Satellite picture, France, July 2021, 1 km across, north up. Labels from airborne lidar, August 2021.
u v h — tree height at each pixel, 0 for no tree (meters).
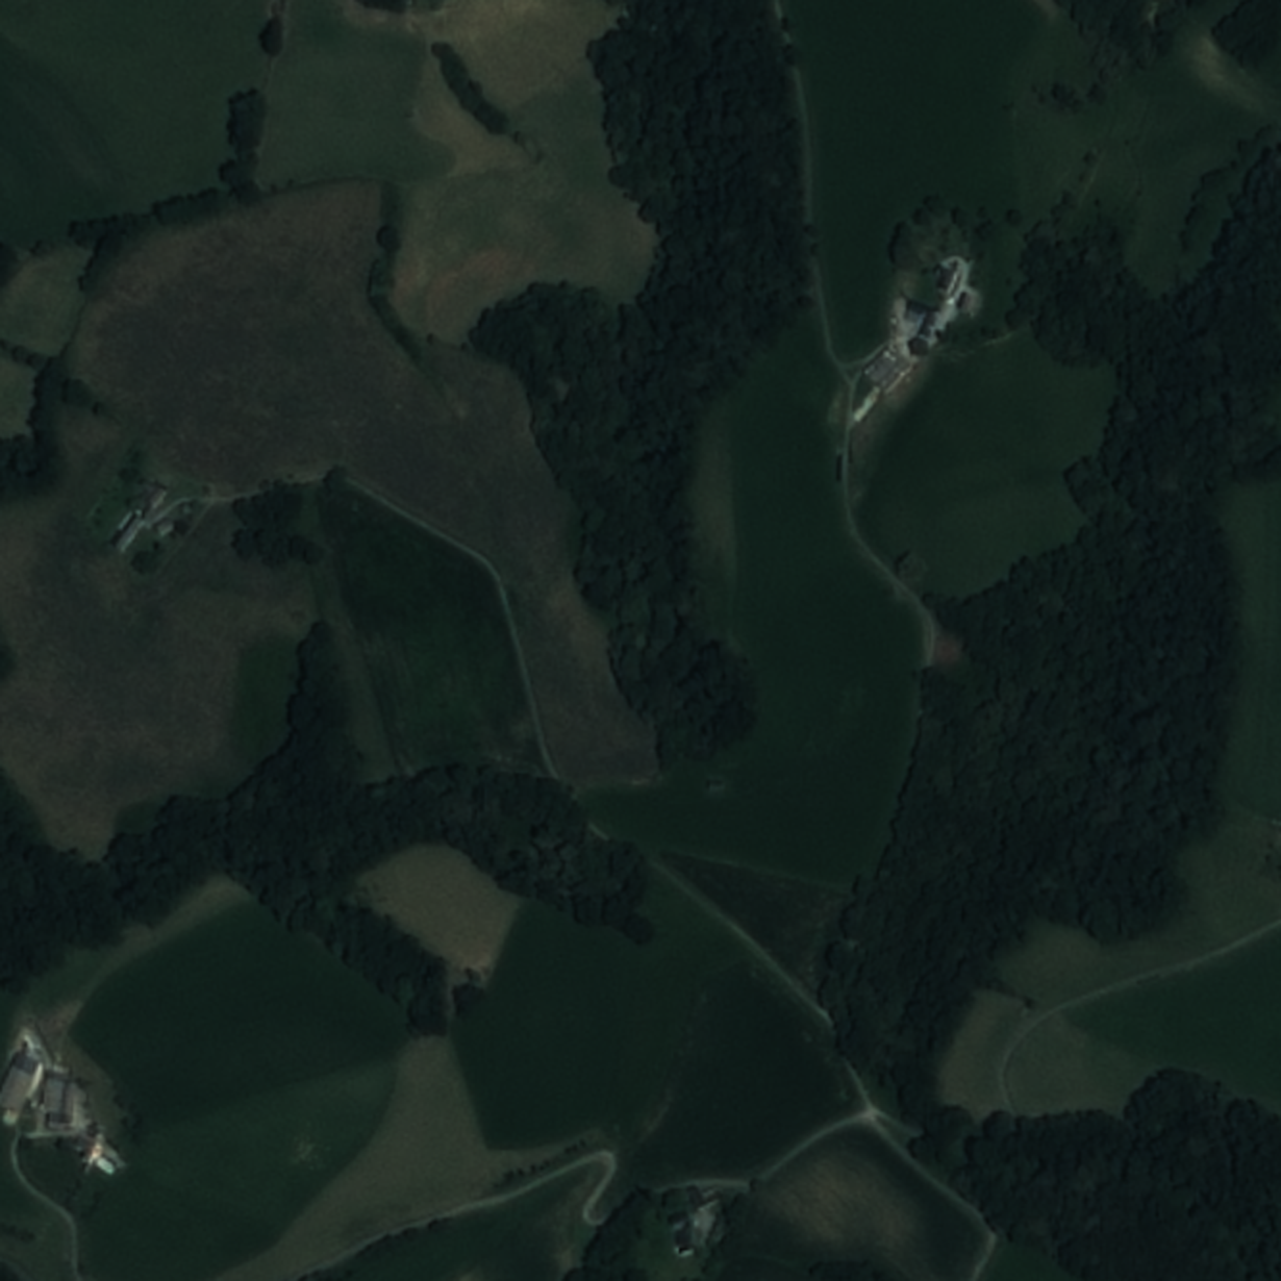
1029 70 0
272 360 0
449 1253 0
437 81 0
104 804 0
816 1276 11
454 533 0
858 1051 23
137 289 0
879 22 0
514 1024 0
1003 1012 0
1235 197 9
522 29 0
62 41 0
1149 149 0
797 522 0
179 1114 0
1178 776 28
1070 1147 31
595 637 0
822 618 0
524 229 0
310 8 0
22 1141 8
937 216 14
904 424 0
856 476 0
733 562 0
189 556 0
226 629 0
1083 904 14
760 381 0
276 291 0
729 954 0
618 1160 0
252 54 0
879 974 22
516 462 0
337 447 0
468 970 0
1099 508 22
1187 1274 17
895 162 0
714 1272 10
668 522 29
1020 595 26
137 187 0
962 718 26
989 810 23
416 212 0
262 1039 0
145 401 0
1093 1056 0
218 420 0
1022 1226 17
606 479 21
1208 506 26
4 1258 0
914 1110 21
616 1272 12
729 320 20
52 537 0
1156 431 35
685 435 26
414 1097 0
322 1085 0
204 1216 0
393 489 0
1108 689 34
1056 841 28
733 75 26
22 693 0
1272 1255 27
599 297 19
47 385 21
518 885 25
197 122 0
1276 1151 27
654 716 17
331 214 0
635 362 29
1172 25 21
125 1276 0
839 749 0
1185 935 0
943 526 0
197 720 0
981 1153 27
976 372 0
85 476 0
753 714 17
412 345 12
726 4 27
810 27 0
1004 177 0
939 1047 20
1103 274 15
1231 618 24
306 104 0
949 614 16
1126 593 31
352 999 0
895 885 21
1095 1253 18
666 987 0
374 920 31
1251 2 13
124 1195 0
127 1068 0
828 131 0
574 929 0
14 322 0
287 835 28
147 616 0
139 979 0
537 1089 0
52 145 0
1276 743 0
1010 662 23
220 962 0
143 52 0
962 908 24
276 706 0
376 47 0
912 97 0
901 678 0
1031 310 19
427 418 0
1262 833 0
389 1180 0
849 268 0
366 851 25
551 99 0
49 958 25
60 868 27
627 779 0
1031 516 0
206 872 24
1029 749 17
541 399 15
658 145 30
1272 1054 0
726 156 27
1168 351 22
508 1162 0
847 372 0
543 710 0
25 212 0
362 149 0
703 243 24
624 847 9
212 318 0
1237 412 25
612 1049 0
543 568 0
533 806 23
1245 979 0
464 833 19
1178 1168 31
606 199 0
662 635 27
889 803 0
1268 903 0
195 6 0
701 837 0
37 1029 0
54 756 0
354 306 0
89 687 0
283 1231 0
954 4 0
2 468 33
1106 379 0
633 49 27
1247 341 16
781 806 0
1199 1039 0
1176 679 23
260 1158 0
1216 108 0
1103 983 0
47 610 0
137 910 30
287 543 22
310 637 8
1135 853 19
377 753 0
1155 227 0
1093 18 28
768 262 19
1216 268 9
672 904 0
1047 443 0
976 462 0
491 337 16
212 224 0
